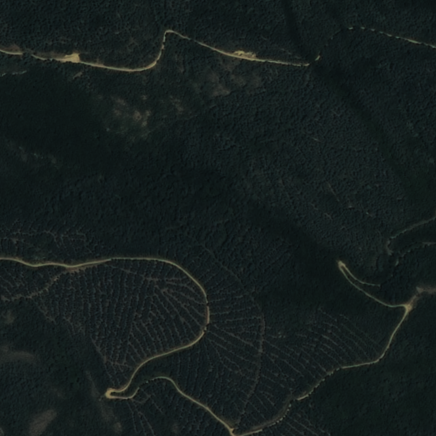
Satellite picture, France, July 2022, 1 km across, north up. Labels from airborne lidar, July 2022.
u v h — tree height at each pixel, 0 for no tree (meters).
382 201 23
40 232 13
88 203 15
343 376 16
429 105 16
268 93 17
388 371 9
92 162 16
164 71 9
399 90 21
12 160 7
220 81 12
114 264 13
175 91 9
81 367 8
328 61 21
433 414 22
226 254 19
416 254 16
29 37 21
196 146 25
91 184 15
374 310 10
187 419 10
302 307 13
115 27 16
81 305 11
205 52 15
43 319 8
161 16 17
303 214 16
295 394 16
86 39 14
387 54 21
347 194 21
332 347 14
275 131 22
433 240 12
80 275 13
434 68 19
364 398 14
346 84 20
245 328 10
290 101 19
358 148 20
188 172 17
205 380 9
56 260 12
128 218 15
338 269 15
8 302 14
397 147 20
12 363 10
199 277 13
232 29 12
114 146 19
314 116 14
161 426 7
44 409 8
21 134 17
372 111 15
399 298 17
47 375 15
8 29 14
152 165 19
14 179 9
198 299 12
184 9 15
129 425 13
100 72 11
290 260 14
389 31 22
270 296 19
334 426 15
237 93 16
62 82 7
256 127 26
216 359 12
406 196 18
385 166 24
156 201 17
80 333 8
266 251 18
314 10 20
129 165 16
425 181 20
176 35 13
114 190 21
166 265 15
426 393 11
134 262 14
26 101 19
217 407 14
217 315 12
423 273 11
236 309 14
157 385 15
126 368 11
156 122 14
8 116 17
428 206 16
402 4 21
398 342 8
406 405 13
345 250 17
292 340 13
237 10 19
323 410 17
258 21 14
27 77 26
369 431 14
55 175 12
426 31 16
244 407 11
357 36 26
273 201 8
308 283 18
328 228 20
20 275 16
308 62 13
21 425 8
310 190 20
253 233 19
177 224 11
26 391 12
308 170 21
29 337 8
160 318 14
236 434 9
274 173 22
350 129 23
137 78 14
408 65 20
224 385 14
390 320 11
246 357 11
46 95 19
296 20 20
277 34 11
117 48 11
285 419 15
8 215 14
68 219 18
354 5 20
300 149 15
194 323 13
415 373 10
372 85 25
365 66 26
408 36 15
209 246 16
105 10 17
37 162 6
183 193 19
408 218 19
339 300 17
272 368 14
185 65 21
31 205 16
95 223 20
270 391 16
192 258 15
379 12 16
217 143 18
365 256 18
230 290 13
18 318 11
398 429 12
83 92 13
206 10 11
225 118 24
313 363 17
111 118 6
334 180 20
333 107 20
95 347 9
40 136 19
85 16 19
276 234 9
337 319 13
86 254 12
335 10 26
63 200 21
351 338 11
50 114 19
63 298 15
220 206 17
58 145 19
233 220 13
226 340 11
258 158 8
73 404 10
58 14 20
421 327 11
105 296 15
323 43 18
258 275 14
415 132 21
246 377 10
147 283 12
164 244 21
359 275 14
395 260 10
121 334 13
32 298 12
